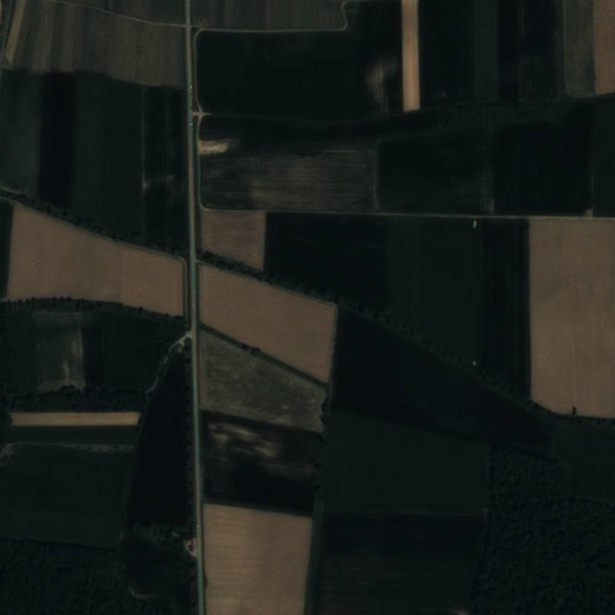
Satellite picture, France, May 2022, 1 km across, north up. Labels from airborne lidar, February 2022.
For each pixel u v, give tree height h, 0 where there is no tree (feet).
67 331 0
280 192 0
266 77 0
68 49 0
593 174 0
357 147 0
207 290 0
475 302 0
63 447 0
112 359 0
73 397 63
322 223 0
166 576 0
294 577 0
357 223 0
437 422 0
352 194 0
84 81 0
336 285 0
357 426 0
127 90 0
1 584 86
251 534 0
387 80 0
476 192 0
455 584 0
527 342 0
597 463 0
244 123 0
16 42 0
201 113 0
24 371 0
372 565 0
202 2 0
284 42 0
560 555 78
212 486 0
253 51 0
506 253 0
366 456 0
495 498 39
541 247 0
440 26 0
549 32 0
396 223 0
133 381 0
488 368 0
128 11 0
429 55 0
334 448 0
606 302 0
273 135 0
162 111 0
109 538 0
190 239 0
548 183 0
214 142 0
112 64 0
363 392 0
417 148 0
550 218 0
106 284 0
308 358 0
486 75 0
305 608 0
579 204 0
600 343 0
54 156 0
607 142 0
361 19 0
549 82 0
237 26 0
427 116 0
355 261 0
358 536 0
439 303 0
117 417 0
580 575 85
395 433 0
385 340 0
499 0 0
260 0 0
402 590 0
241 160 0
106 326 0
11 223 0
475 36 0
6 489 0
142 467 0
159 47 0
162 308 0
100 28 0
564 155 0
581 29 0
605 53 0
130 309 19
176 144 0
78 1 0
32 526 0
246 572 0
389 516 0
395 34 0
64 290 0
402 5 0
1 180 0
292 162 0
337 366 0
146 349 0
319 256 0
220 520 0
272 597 0
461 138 0
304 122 0
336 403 0
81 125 0
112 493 0
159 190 0
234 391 0
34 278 0
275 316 0
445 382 0
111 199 0
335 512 0
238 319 0
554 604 74
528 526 67
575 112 0
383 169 0
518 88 0
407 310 0
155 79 0
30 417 0
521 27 0
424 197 0
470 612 0
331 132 0
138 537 0
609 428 0
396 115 0
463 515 0
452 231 0
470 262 0
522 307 0
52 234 0
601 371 0
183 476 0
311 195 0
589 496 0
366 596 0
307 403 0
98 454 0
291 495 0
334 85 0
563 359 0
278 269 0
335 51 0
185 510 0
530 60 0
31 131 0
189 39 0
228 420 0
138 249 0
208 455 0
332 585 0
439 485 0
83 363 0
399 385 0
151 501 0
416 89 0
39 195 0
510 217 0
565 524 69
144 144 0
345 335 0
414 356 0
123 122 0
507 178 0
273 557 0
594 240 0
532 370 0
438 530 0
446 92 0
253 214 0
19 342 0
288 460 0
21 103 0
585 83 0
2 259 0
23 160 0
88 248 0
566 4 0
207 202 0
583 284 0
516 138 0
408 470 0
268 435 0
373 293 0
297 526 0
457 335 0
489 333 0
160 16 0
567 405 0
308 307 0
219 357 0
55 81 0
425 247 0
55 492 0
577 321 0
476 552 0
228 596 0
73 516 0
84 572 76
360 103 0
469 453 0
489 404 0
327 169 0
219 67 0
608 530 70
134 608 76
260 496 0
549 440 0
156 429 0
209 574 0
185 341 0
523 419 0
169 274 0
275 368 0
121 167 0
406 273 0
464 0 0
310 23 0
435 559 0
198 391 0
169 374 0
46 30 0
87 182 0
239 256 0
